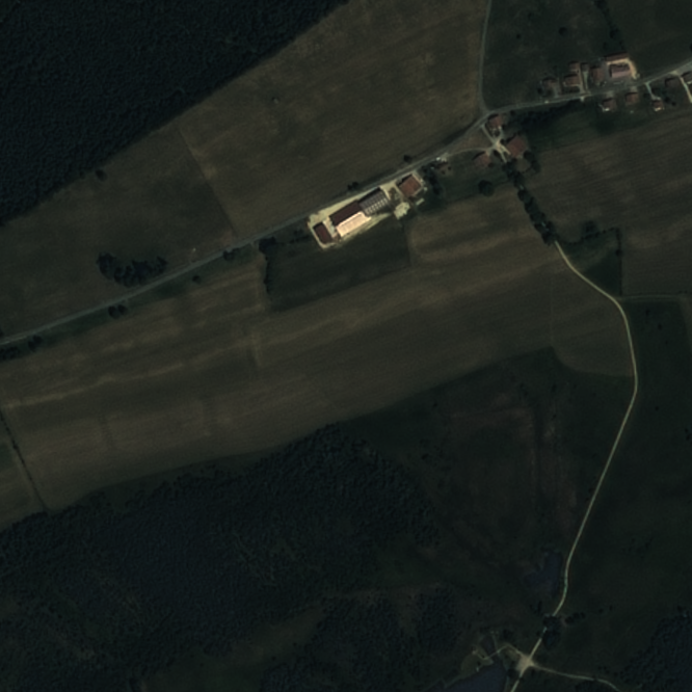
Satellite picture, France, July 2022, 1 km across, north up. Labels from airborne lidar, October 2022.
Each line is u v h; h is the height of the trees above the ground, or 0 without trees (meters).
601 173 0
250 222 0
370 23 0
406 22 0
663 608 0
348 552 6
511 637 14
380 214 0
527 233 0
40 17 17
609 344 0
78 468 0
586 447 0
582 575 0
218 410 0
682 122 0
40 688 9
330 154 0
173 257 0
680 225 0
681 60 0
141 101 22
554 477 0
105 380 0
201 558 8
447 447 0
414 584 0
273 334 0
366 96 0
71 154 21
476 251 0
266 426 0
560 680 0
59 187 28
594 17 0
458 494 0
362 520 7
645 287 0
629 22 0
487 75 0
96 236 0
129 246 0
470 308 0
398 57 0
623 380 0
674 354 0
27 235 0
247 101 0
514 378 0
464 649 0
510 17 0
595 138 0
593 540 0
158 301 0
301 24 25
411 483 8
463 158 0
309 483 10
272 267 8
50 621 8
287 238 0
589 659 0
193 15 17
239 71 14
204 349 0
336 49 0
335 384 0
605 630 0
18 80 28
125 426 0
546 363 0
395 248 0
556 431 0
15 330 0
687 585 0
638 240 0
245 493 12
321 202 0
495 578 0
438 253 0
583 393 0
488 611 0
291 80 0
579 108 10
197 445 0
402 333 0
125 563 7
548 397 0
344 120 0
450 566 0
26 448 0
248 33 21
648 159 0
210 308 0
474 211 0
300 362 0
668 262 0
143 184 0
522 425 0
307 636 0
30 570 10
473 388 0
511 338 0
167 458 0
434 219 0
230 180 0
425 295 0
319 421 0
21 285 0
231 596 7
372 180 0
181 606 11
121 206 0
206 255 0
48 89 23
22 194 23
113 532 9
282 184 0
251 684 0
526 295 0
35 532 15
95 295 0
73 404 0
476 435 0
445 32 0
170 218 0
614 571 0
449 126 0
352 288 0
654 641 10
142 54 19
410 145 0
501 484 0
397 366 0
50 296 0
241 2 22
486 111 0
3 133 24
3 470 0
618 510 0
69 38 19
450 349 0
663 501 0
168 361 0
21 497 0
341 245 0
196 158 0
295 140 0
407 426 0
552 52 0
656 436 0
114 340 0
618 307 0
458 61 0
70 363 0
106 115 25
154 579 7
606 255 0
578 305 0
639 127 0
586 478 0
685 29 0
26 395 0
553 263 0
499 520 0
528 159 11
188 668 0
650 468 0
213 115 0
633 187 0
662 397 0
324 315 0
